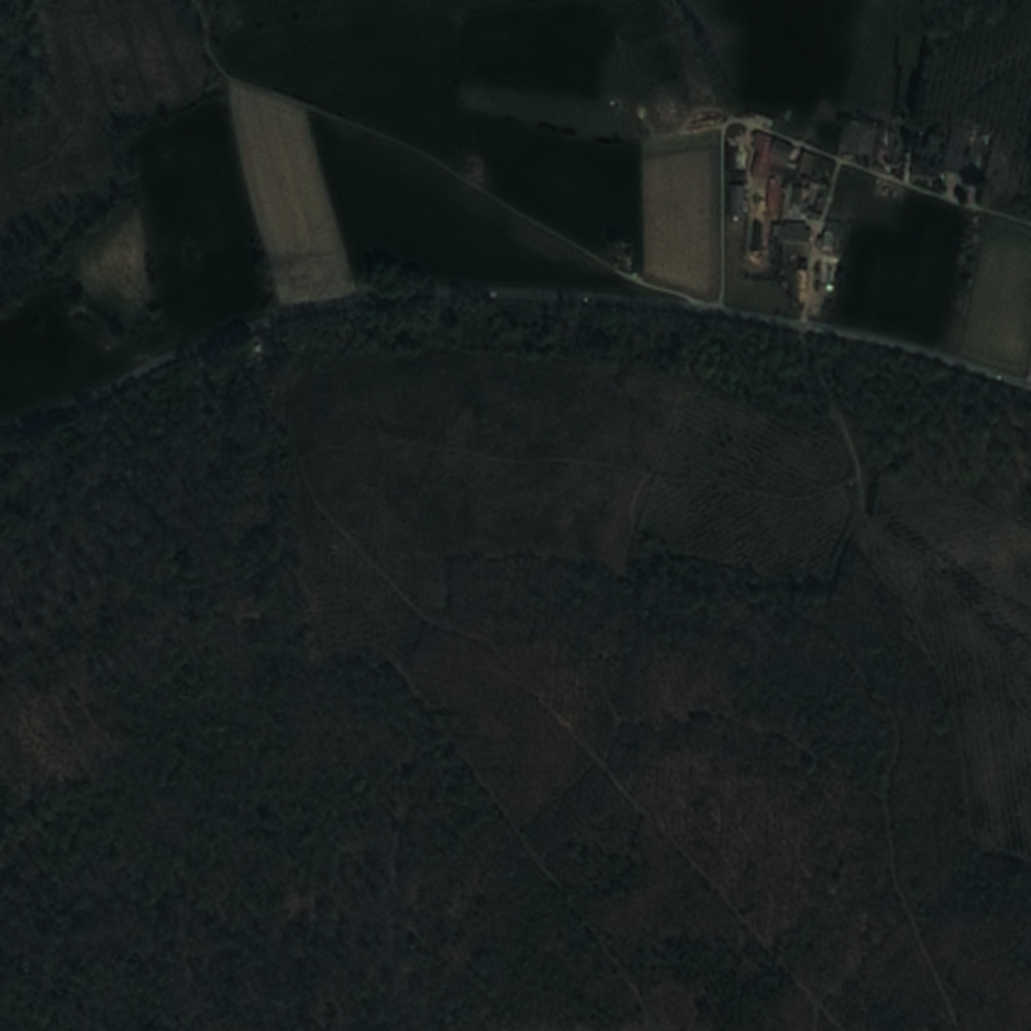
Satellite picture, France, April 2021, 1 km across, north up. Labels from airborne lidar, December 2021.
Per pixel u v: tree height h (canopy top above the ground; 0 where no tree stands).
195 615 24
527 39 0
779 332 14
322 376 0
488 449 0
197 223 0
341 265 0
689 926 12
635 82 0
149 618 19
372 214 0
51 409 0
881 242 0
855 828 8
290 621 21
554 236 0
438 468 0
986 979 10
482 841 9
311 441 0
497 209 0
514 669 11
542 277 0
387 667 12
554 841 7
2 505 23
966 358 0
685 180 0
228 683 20
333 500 0
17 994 17
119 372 0
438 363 0
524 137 0
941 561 0
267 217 0
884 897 6
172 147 0
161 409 8
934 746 13
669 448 0
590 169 0
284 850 19
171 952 13
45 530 9
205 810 14
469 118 0
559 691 13
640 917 11
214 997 17
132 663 18
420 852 15
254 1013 14
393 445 0
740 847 12
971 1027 12
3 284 18
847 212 0
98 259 0
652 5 0
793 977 10
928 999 7
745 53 0
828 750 7
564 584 12
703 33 29
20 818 21
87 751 21
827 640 16
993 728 0
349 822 16
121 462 25
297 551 20
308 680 16
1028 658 0
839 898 7
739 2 0
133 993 14
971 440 25
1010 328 0
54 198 0
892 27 0
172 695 18
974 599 0
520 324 20
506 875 7
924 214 0
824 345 12
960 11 25
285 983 17
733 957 10
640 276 0
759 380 17
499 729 9
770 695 10
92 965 11
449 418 0
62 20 0
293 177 0
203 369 26
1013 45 26
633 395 0
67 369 0
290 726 19
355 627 0
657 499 0
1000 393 14
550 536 0
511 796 11
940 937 11
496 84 0
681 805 12
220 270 0
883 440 17
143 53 0
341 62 0
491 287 0
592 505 0
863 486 0
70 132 0
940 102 23
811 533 0
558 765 10
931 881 16
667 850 12
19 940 21
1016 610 0
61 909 24
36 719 24
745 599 19
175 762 15
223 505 22
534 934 8
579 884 9
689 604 18
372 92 0
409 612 0
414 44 0
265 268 14
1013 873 17
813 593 17
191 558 25
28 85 6
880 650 9
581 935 9
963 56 23
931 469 10
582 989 10
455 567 11
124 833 23
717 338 13
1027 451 24
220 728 16
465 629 9
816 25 0
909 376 16
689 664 10
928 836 12
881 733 7
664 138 0
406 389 0
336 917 22
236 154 0
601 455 0
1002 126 22
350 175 0
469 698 10
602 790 6
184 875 11
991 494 19
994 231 0
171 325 0
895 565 0
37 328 9
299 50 0
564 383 0
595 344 19
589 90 0
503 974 9
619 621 17
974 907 10
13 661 21
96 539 6
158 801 21
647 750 6
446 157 0
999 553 0
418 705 12
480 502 0
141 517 23
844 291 0
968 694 0
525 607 12
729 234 0
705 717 12
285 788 16
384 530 0
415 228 0
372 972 19
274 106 0
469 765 10
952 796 14
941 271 0
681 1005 9
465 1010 10
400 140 0
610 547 0
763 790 11
